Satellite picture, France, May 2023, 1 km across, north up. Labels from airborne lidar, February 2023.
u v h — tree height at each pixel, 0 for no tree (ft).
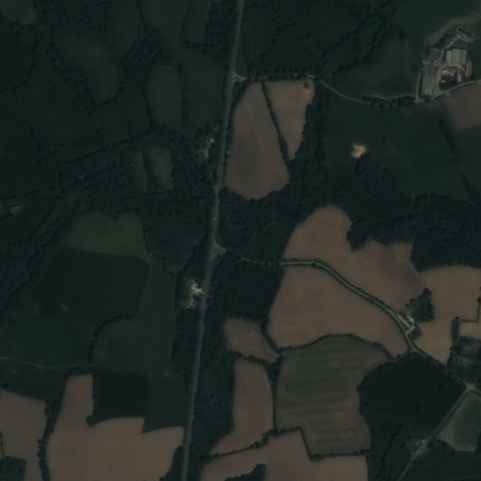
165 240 0
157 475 0
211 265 0
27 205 0
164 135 33
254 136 0
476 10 0
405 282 0
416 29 0
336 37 0
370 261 0
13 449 0
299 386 0
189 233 0
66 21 59
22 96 0
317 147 23
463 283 0
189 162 52
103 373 0
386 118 0
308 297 0
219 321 52
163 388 0
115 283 0
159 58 49
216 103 0
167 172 0
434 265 61
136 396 0
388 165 0
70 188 54
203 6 0
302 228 0
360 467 0
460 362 0
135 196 48
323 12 0
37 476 0
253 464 0
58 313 0
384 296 0
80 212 44
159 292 0
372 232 61
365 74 0
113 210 23
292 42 0
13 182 0
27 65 0
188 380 35
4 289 43
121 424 0
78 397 0
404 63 0
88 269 0
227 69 30
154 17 0
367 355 0
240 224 49
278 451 0
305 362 0
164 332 0
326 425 0
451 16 0
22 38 81
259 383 0
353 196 0
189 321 46
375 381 0
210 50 78
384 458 34
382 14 35
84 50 0
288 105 0
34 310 0
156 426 0
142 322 0
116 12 0
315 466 0
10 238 0
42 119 0
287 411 0
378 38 34
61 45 0
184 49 0
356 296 0
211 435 33
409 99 39
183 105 24
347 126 0
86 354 0
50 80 0
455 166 0
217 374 35
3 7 0
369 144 0
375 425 22
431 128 0
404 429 51
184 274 48
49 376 0
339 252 0
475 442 0
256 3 46
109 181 26
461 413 0
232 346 0
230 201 65
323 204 41
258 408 0
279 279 0
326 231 0
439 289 0
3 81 0
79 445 0
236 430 0
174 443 0
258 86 0
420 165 0
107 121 0
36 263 75
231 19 51
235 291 54
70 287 0
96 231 0
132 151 33
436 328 0
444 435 0
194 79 0
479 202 45
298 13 44
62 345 0
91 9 23
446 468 0
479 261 56
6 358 0
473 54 0
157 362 0
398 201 61
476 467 0
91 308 0
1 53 0
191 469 30
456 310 0
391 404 0
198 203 69
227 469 0
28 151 0
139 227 0
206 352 47
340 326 0
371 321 0
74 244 0
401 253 0
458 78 0
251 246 35
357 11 0
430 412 0
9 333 0
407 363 0
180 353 67
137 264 0
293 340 0
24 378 0
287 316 0
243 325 0
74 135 0
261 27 0
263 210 72
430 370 0
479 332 0
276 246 0
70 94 0
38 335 0
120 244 0
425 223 60
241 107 0
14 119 0
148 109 41
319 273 0
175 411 0
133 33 0
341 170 0
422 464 0
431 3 0
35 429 0
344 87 0
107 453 0
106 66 0
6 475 0
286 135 0
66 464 0
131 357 0
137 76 31
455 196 0
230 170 0
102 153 55
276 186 0
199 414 50
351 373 0
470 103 0
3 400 0
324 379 0
